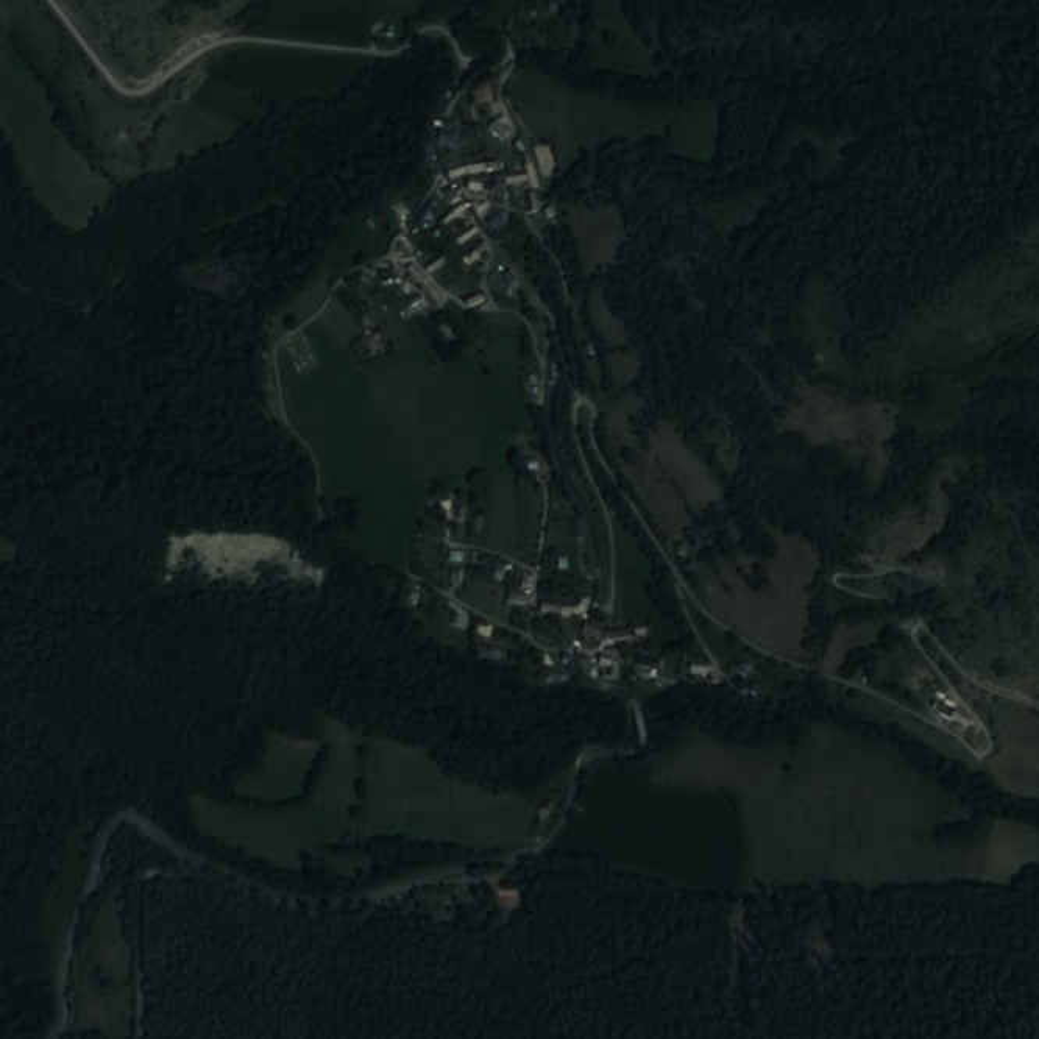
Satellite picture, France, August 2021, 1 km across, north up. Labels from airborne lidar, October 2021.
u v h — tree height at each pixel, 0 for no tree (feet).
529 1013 68
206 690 59
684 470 0
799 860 0
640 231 23
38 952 73
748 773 0
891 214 53
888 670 0
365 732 57
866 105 101
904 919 116
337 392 0
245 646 52
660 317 48
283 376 0
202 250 24
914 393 60
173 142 0
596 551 0
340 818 0
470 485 26
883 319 35
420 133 46
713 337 36
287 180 44
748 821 0
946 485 47
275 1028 42
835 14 47
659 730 62
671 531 0
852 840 0
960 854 0
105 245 53
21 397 79
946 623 44
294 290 21
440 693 78
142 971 27
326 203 68
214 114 0
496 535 0
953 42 67
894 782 0
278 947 75
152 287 85
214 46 0
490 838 0
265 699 77
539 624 24
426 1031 88
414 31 55
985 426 37
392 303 0
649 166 28
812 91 82
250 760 75
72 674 73
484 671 57
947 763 64
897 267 31
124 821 0
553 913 82
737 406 18
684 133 0
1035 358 33
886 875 0
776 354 27
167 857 39
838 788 0
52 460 98
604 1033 78
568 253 40
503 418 0
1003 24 73
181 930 36
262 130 32
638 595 0
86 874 0
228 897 60
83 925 25
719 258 23
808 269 28
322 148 73
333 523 37
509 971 66
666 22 48
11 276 47
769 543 52
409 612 27
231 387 88
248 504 90
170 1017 61
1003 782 0
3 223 61
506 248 21
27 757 51
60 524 94
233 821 0
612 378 21
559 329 28
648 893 67
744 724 73
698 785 0
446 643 0
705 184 36
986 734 0
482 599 0
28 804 52
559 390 26
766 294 23
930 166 85
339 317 0
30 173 0
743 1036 84
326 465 0
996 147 85
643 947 60
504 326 0
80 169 0
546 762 81
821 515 25
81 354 66
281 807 26
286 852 0
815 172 65
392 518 0
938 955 64
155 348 70
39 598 55
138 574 72
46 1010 54
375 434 0
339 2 0
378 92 62
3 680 39
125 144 0
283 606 59
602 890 60
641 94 70
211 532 43
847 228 70
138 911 25
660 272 25
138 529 57
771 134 43
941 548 64
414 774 0
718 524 44
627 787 0
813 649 48
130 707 54
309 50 0
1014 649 0
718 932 88
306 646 73
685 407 29
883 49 57
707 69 58
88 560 108
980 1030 65
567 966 51
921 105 108
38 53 0
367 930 75
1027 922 72
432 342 27
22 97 0
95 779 63
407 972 83
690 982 70
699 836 0
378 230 0
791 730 71
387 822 0
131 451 50
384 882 30
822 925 86
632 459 53
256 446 83
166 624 82
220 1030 51
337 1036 63
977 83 19
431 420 0
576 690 33
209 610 89
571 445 20
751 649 25
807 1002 83
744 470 27
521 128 0
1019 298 21
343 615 59
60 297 41
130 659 64
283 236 25
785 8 52
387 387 0
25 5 0
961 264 28
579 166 39
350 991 72
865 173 76
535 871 43
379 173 104
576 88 65
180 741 79
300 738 55
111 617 82
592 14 52
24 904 75
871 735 75
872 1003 80
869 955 78
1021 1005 63
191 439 121
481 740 106
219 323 57
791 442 26
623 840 0
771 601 0
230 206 72
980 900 92
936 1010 80
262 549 0
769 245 46
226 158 55
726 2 56
